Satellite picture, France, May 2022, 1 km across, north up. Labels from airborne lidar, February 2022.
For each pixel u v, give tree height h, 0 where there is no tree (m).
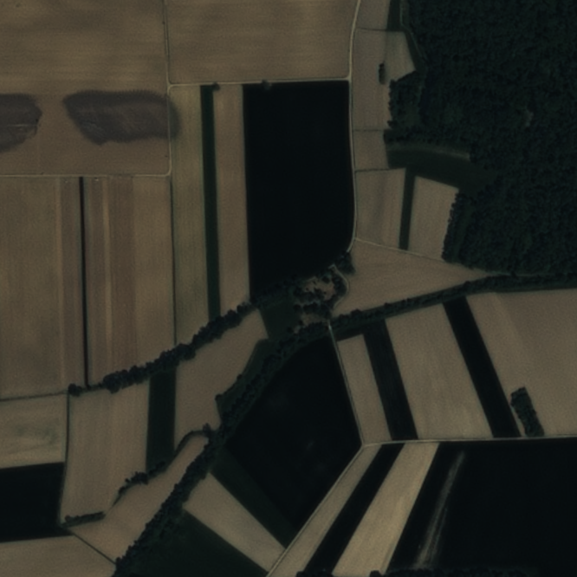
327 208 0
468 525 0
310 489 0
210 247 0
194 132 0
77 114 0
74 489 0
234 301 0
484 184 0
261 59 0
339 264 11
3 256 0
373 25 0
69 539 0
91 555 0
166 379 0
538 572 0
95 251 0
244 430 0
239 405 15
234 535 0
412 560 0
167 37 0
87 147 0
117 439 0
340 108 0
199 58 0
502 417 0
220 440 14
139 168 0
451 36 24
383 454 0
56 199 0
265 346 0
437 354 0
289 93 0
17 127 0
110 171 0
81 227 0
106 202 0
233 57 0
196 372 0
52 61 0
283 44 0
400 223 0
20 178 0
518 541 0
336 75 0
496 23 24
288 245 0
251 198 0
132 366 0
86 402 0
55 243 0
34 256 0
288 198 0
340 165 0
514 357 0
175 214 0
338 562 0
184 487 15
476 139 18
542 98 25
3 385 0
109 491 0
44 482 0
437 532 0
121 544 0
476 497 0
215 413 0
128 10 0
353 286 0
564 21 30
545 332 0
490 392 0
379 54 0
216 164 0
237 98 0
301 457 0
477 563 0
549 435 0
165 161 0
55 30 0
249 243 0
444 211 0
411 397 0
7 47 0
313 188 0
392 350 0
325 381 0
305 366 0
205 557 0
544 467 0
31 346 0
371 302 0
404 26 0
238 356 0
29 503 0
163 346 0
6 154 0
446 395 0
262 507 0
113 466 0
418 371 0
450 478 0
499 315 0
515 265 12
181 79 0
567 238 27
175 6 0
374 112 0
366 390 0
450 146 11
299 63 0
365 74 0
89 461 0
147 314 0
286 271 0
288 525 0
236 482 0
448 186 0
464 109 29
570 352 0
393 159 0
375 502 0
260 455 0
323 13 0
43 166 0
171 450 0
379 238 0
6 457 0
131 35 0
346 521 0
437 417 0
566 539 0
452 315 0
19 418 0
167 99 0
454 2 28
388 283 0
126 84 0
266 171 0
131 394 0
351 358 0
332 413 0
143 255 0
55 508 0
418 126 0
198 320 0
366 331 0
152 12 0
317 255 0
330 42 0
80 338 0
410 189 0
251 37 0
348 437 0
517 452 0
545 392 0
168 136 0
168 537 11
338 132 0
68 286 0
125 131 0
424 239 0
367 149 0
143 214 0
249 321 0
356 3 0
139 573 0
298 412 0
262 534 0
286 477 0
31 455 0
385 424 0
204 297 0
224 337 0
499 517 0
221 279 0
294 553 0
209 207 0
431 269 0
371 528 0
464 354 0
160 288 0
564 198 26
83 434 0
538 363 0
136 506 0
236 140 0
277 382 0
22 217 0
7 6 0
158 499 0
